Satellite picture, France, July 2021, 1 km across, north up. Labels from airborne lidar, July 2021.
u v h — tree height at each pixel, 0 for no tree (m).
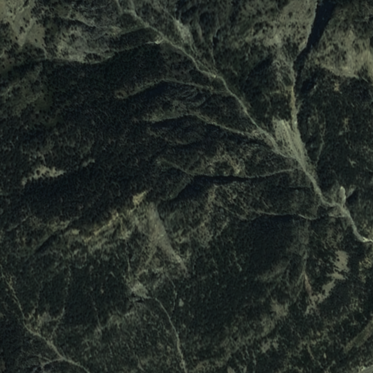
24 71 15
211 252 7
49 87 7
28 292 10
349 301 6
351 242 13
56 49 9
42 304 11
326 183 8
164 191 13
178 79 11
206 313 8
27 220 7
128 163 17
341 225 7
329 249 12
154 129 12
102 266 17
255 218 8
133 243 6
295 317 7
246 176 13
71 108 20
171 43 0
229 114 12
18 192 9
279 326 8
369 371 0
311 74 12
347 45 0
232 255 8
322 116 15
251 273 15
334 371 13
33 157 9
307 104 18
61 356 6
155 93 9
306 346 9
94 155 19
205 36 9
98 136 19
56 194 14
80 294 9
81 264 7
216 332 8
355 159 12
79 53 0
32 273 7
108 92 23
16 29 0
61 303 10
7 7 0
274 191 14
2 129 9
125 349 7
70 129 12
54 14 7
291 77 0
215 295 10
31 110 11
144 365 7
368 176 9
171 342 6
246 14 0
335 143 12
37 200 15
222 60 9
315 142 8
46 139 7
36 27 0
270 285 6
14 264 15
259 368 7
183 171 9
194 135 10
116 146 15
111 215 13
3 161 14
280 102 14
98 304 15
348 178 10
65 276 6
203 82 12
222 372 11
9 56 10
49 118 10
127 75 16
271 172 11
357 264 8
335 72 0
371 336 8
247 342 7
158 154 19
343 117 11
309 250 9
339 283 8
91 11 9
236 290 9
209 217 9
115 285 14
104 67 11
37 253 7
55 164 12
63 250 11
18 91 8
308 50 7
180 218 6
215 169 7
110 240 16
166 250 0
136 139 15
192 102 8
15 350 13
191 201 13
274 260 12
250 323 5
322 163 7
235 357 9
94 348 12
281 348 9
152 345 7
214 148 9
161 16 11
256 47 16
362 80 6
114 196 10
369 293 10
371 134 12
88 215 17
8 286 8
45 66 20
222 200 7
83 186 10
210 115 11
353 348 7
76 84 10
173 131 16
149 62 20
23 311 10
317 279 9
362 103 9
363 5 9
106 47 7
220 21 7
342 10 6
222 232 13
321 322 7
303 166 0
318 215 7
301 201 6
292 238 9
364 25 10
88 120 19
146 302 9
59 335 6
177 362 7
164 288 10
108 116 17
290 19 0
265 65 12
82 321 11
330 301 9
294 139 0
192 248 11
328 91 7
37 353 9
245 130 14
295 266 14
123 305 8
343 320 9
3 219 14
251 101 17
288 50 9
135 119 13
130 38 13
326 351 10
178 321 10
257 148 5
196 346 9
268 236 17
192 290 7
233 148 15
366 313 13
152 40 7
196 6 12
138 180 11
